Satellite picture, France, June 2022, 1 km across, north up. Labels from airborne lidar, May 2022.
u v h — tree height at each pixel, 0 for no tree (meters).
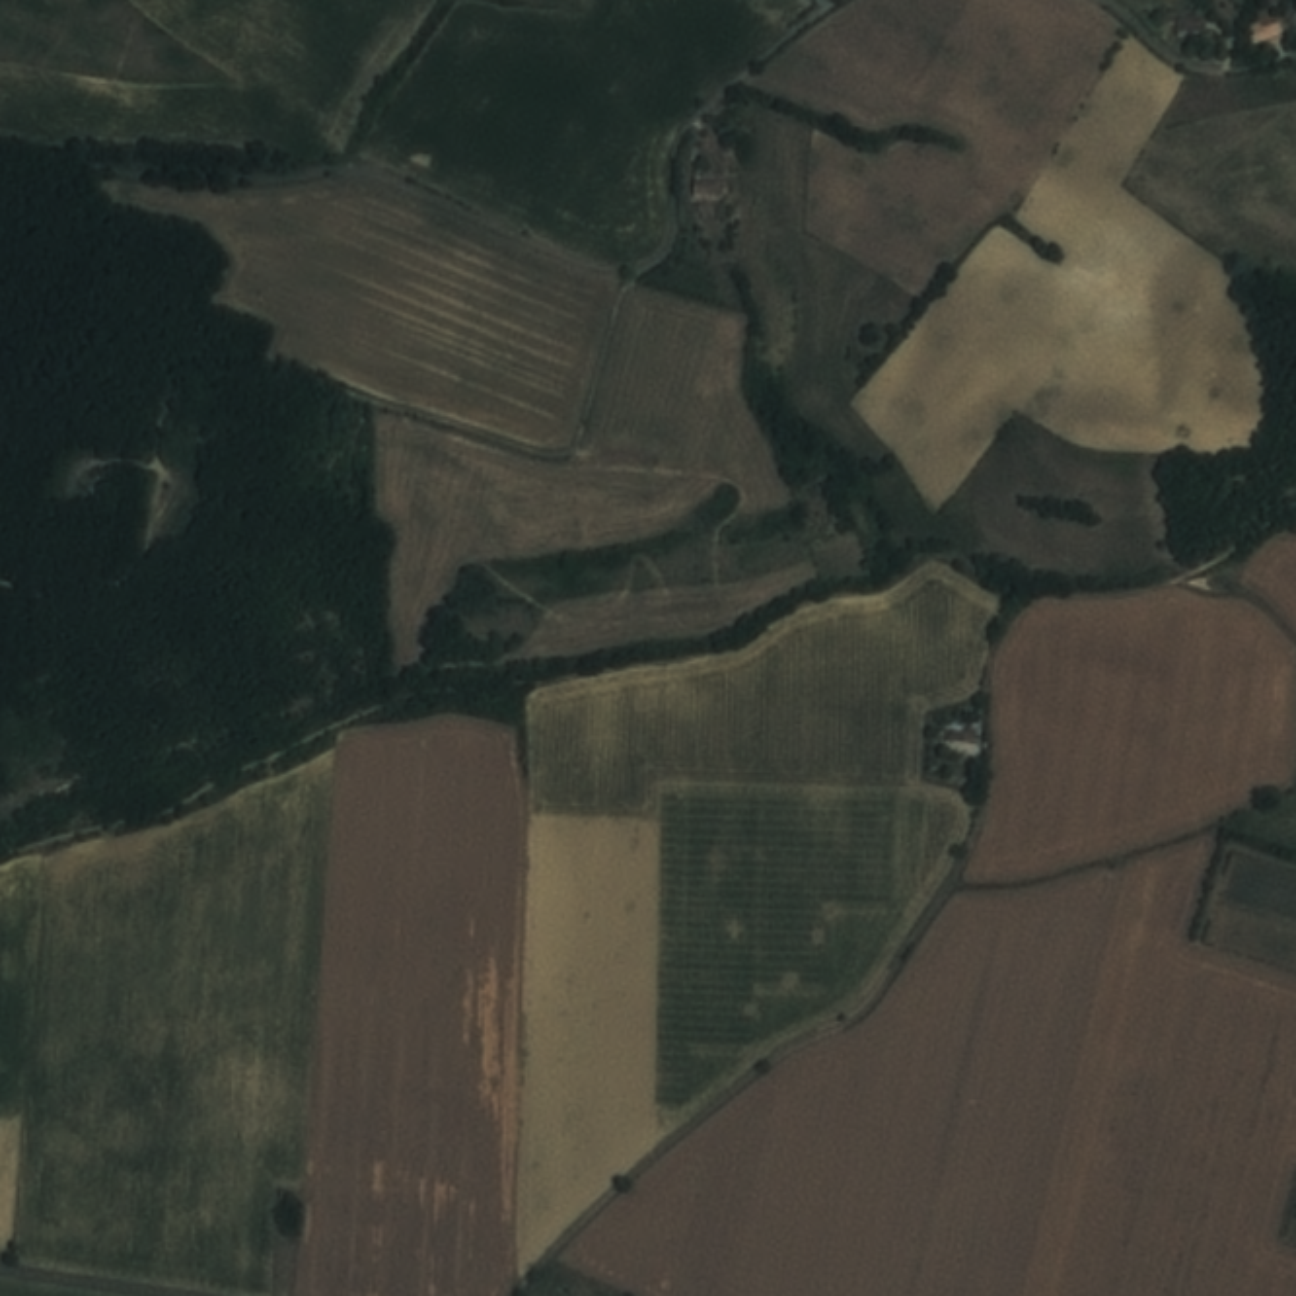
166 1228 0
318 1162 0
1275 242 0
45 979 0
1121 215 0
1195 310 0
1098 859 0
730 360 0
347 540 17
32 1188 0
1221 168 0
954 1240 0
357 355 0
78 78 0
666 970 0
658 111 0
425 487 0
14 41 0
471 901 0
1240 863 0
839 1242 0
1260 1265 0
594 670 19
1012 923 0
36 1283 0
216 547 17
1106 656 0
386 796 0
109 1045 0
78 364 20
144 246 20
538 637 0
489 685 13
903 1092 0
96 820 11
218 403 16
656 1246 0
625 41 0
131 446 16
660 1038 0
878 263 0
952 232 0
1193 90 0
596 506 0
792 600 13
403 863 0
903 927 0
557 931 0
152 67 0
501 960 0
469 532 0
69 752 9
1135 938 0
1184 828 0
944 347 0
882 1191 0
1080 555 0
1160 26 7
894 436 0
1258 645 0
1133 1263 0
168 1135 0
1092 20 0
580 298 0
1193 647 0
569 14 0
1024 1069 0
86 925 0
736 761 0
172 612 18
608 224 0
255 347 14
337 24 0
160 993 0
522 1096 0
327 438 15
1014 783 0
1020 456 0
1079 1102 0
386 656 11
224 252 12
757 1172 0
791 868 0
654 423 0
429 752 0
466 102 0
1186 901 0
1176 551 13
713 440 0
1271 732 0
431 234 0
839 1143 0
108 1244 0
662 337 0
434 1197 0
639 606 0
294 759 8
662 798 0
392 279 0
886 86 0
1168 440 0
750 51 0
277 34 0
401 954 0
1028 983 0
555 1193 0
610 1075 0
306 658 8
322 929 0
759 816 0
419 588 0
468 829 0
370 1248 0
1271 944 0
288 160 16
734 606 0
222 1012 0
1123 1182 0
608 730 0
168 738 11
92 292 19
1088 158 0
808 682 0
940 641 0
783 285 0
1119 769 0
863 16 0
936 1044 0
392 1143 0
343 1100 0
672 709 0
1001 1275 0
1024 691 0
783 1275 0
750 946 0
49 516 12
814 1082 0
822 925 0
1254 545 15
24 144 24
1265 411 8
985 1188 0
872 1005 0
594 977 0
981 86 0
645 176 0
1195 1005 0
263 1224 0
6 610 14
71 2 0
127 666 13
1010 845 0
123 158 19
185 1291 0
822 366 0
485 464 0
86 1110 0
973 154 0
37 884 0
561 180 0
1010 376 0
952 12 0
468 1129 0
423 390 0
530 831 0
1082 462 0
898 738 0
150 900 0
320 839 0
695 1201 0
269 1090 0
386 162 0
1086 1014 0
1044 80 0
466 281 0
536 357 0
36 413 15
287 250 0
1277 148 0
